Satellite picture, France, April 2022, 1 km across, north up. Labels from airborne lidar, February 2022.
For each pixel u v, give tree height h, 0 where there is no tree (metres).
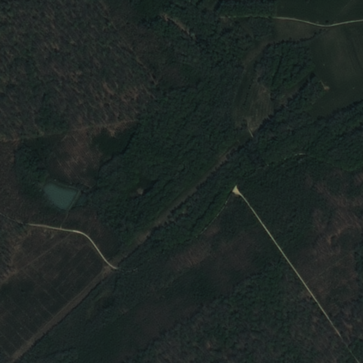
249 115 0
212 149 20
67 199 0
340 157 27
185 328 28
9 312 0
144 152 29
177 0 26
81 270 0
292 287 23
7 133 27
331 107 0
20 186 14
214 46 27
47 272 0
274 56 24
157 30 23
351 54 0
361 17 0
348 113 23
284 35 0
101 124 26
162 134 29
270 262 0
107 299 0
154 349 24
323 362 27
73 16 21
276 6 20
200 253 0
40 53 32
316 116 0
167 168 24
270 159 27
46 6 23
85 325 17
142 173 15
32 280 0
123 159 28
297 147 33
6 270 29
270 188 14
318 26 0
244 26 0
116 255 6
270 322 26
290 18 0
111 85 26
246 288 27
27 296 0
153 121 30
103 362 13
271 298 23
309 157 19
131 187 18
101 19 29
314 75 0
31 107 35
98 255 0
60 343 15
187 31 0
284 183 17
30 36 31
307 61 22
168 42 29
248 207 13
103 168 13
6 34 33
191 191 0
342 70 0
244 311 27
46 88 28
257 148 21
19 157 30
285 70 27
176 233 28
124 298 21
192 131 26
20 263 0
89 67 25
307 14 0
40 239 0
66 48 26
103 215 21
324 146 28
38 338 0
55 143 0
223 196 24
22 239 0
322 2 0
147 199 25
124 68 26
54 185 0
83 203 0
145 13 10
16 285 0
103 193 30
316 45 0
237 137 13
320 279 6
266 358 32
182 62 29
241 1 29
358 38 0
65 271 0
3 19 30
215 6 0
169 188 22
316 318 24
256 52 0
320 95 16
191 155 21
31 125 30
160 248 25
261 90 0
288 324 24
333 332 28
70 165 0
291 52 21
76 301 0
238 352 28
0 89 28
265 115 0
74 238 0
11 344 0
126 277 17
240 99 0
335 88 0
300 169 16
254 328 24
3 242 29
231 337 24
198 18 27
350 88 0
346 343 27
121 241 24
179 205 0
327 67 0
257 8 26
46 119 27
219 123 20
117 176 30
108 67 26
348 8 0
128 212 17
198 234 23
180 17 30
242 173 24
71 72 16
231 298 23
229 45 9
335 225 20
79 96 21
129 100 22
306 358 29
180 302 0
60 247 0
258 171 19
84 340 15
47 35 28
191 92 28
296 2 0
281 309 25
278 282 19
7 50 30
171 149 23
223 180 21
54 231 0
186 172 18
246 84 0
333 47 0
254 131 0
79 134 0
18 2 22
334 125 28
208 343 26
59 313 0
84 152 0
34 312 0
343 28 0
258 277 25
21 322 0
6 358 12
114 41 31
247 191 19
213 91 23
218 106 11
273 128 21
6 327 0
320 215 21
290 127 30
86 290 0
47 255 0
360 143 28
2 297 0
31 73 30
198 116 28
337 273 0
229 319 28
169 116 29
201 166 16
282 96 15
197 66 27
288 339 26
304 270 0
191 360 30
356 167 19
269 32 14
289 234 15
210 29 30
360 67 0
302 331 21
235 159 28
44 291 0
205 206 24
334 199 0
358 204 0
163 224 0
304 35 0
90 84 22
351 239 0
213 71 28
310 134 33
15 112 29
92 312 0
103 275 0
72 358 21
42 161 9
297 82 22
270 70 25
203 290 0
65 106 31
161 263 16
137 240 0
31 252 0
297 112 27
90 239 0
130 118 14
